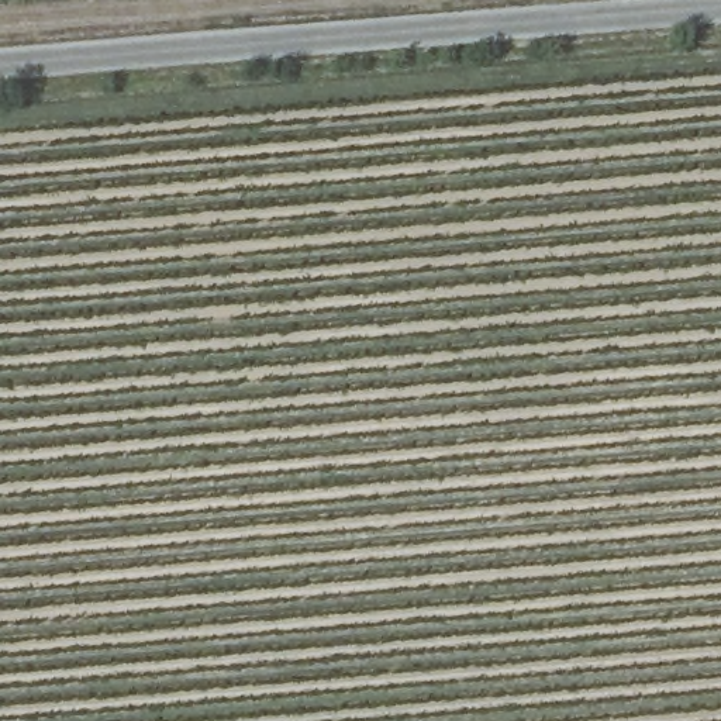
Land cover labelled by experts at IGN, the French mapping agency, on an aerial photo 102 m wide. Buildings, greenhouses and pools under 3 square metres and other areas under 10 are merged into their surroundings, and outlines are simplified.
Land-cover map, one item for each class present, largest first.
<instances>
[{"label":"vineyard","instance_id":"1","mask_svg":"<svg viewBox=\"0 0 721 721\"><path fill-rule=\"evenodd\" d=\"M563 87L546 90H513L414 101H380L375 93H349L293 101L225 104L228 115L211 118L0 132V721H721V62L701 59L698 65L682 68L577 73L563 79Z\"/></svg>","mask_w":721,"mask_h":721},{"label":"deciduous trees","instance_id":"2","mask_svg":"<svg viewBox=\"0 0 721 721\"><path fill-rule=\"evenodd\" d=\"M690 20L673 28L541 37L527 45H515L513 39H482L448 48H400L341 56L293 54L282 59L259 56L248 62L220 65H175L146 70L48 76L39 101L23 107L14 76L0 79V132L211 118L228 115L225 104L293 101L349 93H375L380 101H414L513 90H546L563 87V79L577 73L682 68L698 65L701 59L721 62V25H713L704 39V48L690 51Z\"/></svg>","mask_w":721,"mask_h":721},{"label":"impervious surface","instance_id":"3","mask_svg":"<svg viewBox=\"0 0 721 721\"><path fill-rule=\"evenodd\" d=\"M701 14L713 25H721V0H535V6L445 11L439 14L262 28H217L0 48V79L14 76L28 65H42L48 76L146 70L175 65H220L248 62L259 56L282 59L293 54L341 56L400 48H448L482 39H513L515 45H527L541 37L673 28L690 20Z\"/></svg>","mask_w":721,"mask_h":721},{"label":"herbaceous vegetation","instance_id":"4","mask_svg":"<svg viewBox=\"0 0 721 721\"><path fill-rule=\"evenodd\" d=\"M535 6V0H442L445 11ZM439 14L437 8L425 11L417 3H403L346 8H284L256 14H220L200 20L65 25L45 31L0 34V48L217 28H262ZM690 51L704 48V39L713 25L701 14L690 20ZM23 107L39 101L48 76L42 65H28L14 76Z\"/></svg>","mask_w":721,"mask_h":721},{"label":"pervious surface","instance_id":"5","mask_svg":"<svg viewBox=\"0 0 721 721\"><path fill-rule=\"evenodd\" d=\"M403 3H417L425 11L437 8L439 14L445 11L442 0H0V34L45 31L65 25L200 20L220 14H256L284 8H346Z\"/></svg>","mask_w":721,"mask_h":721}]
</instances>
